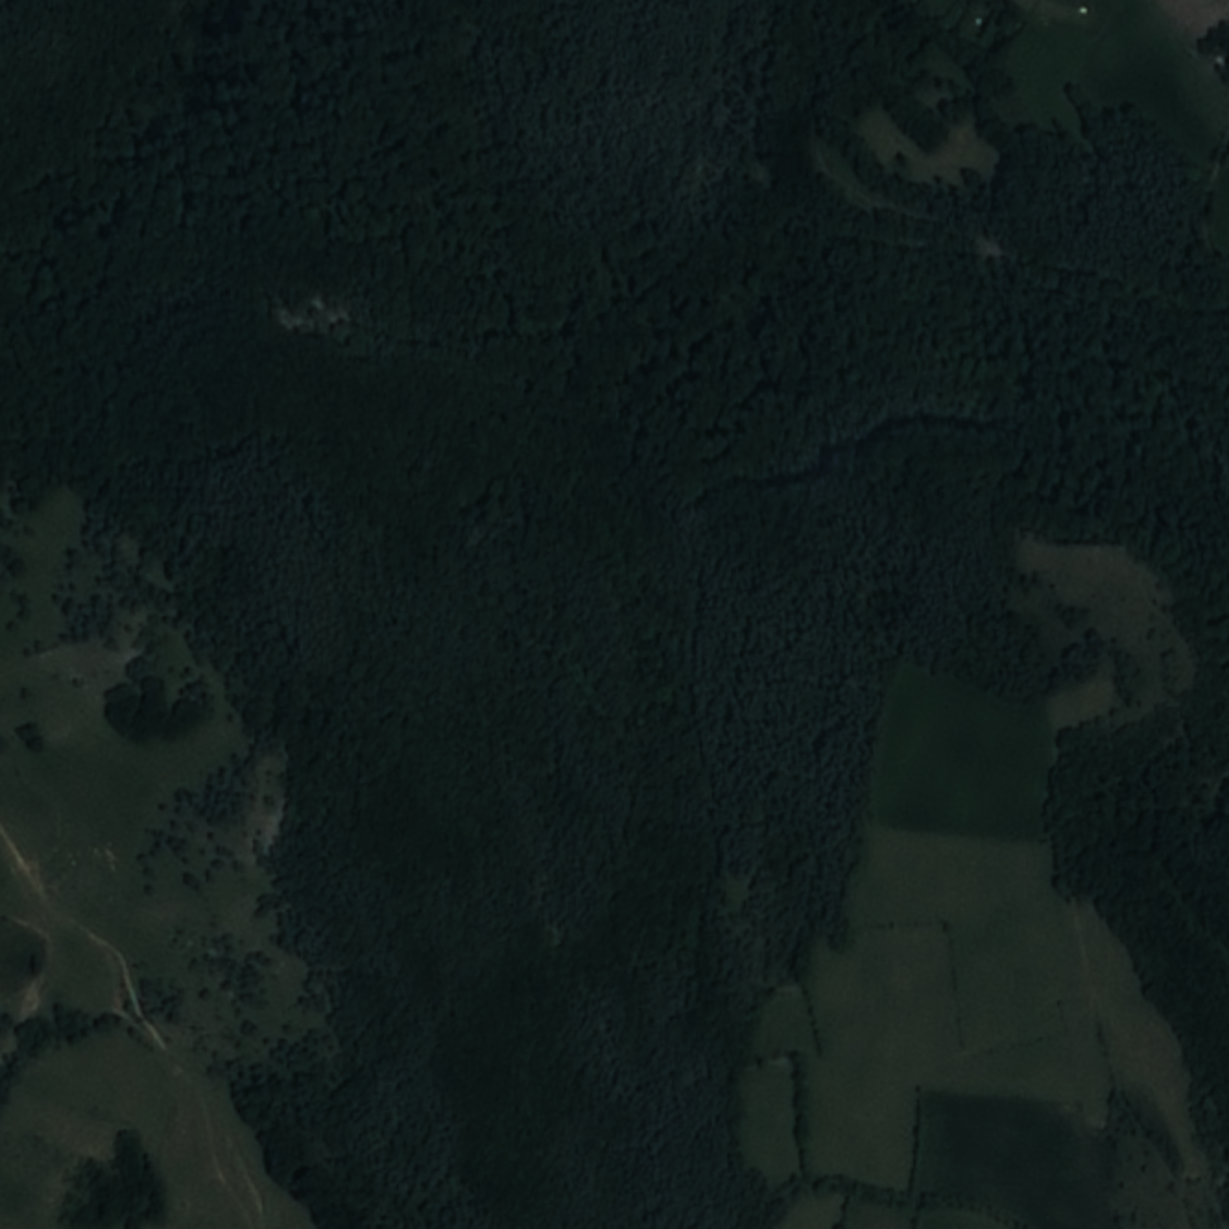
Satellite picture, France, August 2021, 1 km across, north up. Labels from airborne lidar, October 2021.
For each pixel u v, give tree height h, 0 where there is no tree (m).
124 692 12
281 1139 15
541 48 17
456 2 21
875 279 17
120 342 27
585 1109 13
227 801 7
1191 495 22
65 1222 8
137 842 0
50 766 0
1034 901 0
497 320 24
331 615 27
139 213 32
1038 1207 0
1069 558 0
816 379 22
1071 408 26
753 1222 17
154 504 18
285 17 29
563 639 17
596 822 16
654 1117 16
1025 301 12
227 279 26
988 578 18
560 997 18
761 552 12
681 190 17
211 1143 0
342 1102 14
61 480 11
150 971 0
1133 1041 0
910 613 25
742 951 13
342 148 21
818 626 23
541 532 17
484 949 16
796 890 10
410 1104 16
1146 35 0
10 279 36
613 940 15
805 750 22
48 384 28
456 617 14
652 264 26
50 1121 0
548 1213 14
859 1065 0
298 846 11
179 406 18
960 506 18
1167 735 20
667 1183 14
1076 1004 0
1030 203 22
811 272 14
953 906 0
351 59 21
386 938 10
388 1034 14
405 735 18
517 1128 10
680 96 8
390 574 19
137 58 29
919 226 12
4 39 16
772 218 14
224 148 25
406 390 18
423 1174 19
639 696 13
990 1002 0
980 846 0
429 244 28
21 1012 0
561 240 20
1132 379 22
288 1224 0
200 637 10
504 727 18
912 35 15
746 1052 7
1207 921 15
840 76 22
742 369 25
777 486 8
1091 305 9
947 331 21
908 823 0
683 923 18
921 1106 5
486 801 17
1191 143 0
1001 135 21
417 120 19
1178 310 15
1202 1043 19
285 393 23
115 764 0
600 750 16
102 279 30
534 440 24
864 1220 0
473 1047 17
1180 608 7
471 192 29
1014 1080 0
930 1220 0
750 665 17
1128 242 23
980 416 22
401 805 20
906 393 14
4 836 0
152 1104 0
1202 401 22
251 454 23
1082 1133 0
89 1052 0
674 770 15
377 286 17
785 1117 0
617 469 23
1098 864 23
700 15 21
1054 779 9
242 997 8
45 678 0
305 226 24
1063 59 0
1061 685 10
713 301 32
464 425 20
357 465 20
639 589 8
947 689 0
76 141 33
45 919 0
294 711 13
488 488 16
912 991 0
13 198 29
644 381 29
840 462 10
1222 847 26
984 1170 0
